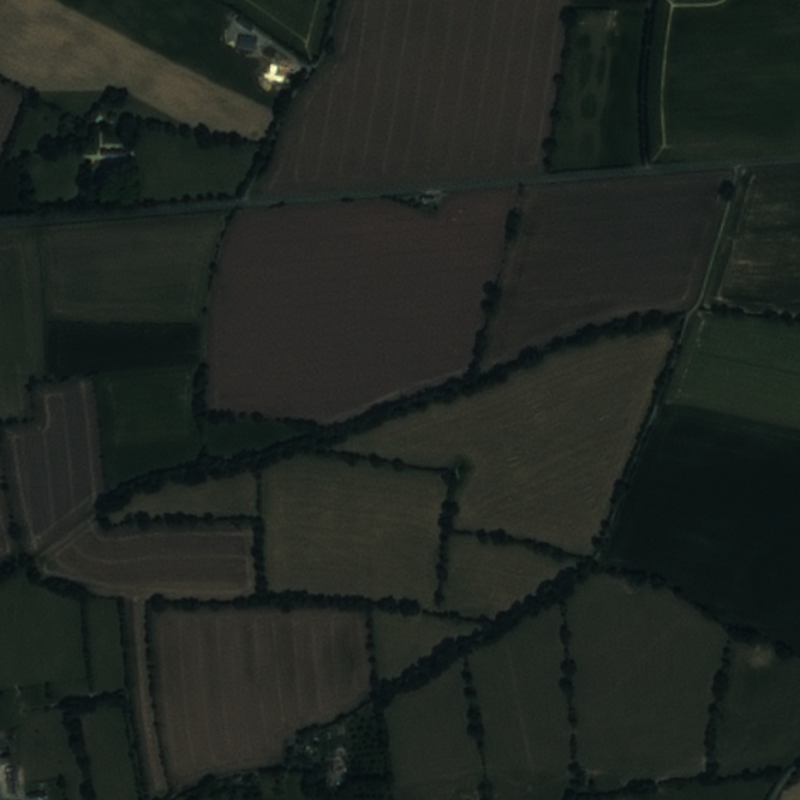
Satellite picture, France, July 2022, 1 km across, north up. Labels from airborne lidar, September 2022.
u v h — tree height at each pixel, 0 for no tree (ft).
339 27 0
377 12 0
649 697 0
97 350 0
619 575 24
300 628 0
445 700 0
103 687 0
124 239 0
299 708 0
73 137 27
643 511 0
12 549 0
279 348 0
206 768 0
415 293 0
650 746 0
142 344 0
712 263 0
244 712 0
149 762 0
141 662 0
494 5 0
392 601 38
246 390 0
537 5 0
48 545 0
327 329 0
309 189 0
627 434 0
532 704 0
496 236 0
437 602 36
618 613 0
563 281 0
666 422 0
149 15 0
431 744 0
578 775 42
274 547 0
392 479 0
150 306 0
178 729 0
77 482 0
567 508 0
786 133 0
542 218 0
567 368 0
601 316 0
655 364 0
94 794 57
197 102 0
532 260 0
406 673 35
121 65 0
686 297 0
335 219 0
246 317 0
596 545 47
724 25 0
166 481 34
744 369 0
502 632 35
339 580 0
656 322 65
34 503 0
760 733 0
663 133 0
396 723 0
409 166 0
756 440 0
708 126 0
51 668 0
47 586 35
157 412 0
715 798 0
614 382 0
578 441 0
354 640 0
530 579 0
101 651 0
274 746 0
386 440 0
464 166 0
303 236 0
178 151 0
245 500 0
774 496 0
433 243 0
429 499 0
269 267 0
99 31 0
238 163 0
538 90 0
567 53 29
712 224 0
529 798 0
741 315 45
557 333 0
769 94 0
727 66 0
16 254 0
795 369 0
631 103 0
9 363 0
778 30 0
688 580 0
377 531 0
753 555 0
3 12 0
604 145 0
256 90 0
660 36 0
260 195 0
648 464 0
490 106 0
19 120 35
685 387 0
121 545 0
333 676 0
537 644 0
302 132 0
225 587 0
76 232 0
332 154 0
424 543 0
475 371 48
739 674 0
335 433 51
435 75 0
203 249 0
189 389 0
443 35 0
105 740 0
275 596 52
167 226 0
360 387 0
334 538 0
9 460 0
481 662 0
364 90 0
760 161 0
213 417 47
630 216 0
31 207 35
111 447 0
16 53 0
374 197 0
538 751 0
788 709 0
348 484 0
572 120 0
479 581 0
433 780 0
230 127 0
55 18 0
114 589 0
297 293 0
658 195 0
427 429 0
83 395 0
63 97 0
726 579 0
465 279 0
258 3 0
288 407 0
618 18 0
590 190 0
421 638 0
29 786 0
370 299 0
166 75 0
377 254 0
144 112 0
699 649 0
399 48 0
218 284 0
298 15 0
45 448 0
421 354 0
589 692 0
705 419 0
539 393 0
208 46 0
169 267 0
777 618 0
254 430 0
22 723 0
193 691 0
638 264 0
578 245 0
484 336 56
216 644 0
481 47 0
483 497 0
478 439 0
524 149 0
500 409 0
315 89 0
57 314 0
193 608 52
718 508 0
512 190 0
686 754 0
